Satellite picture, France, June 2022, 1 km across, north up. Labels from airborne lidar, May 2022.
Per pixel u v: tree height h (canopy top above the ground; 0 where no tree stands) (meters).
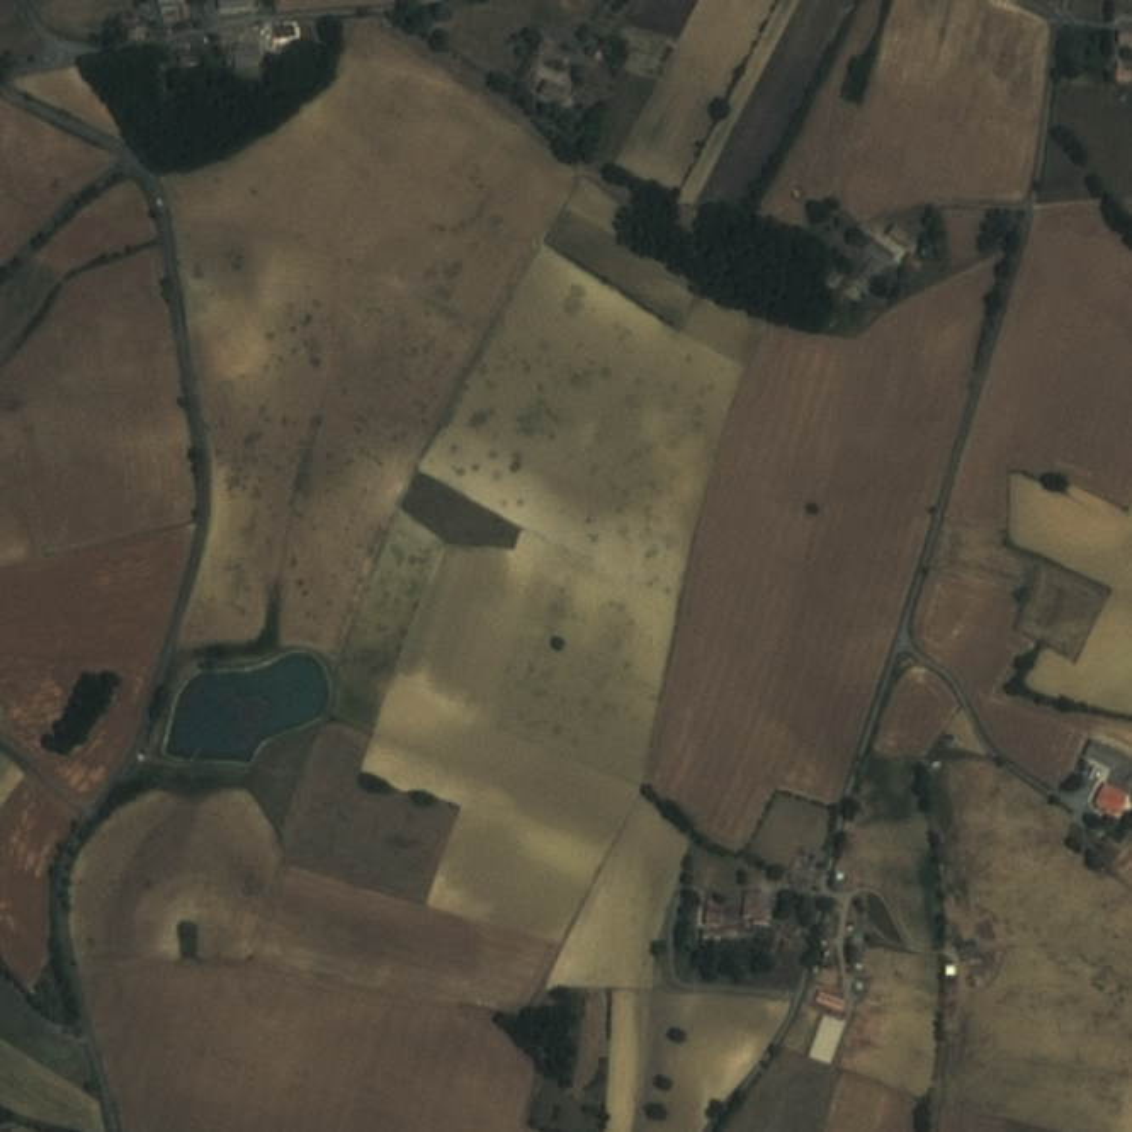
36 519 0
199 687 0
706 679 0
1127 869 0
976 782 0
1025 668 11
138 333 0
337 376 0
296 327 0
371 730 0
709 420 0
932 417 0
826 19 0
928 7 0
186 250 0
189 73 16
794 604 0
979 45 0
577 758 0
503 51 0
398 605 0
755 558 0
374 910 0
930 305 0
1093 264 0
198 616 0
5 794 0
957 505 0
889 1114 0
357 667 0
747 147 0
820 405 0
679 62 0
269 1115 0
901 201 0
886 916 0
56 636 0
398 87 0
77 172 0
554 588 0
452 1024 0
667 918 0
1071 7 0
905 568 0
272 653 0
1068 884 0
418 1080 0
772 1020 0
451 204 0
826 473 0
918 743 0
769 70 0
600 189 0
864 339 0
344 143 0
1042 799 0
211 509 0
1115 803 0
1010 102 0
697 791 0
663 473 0
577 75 7
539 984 0
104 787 0
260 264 0
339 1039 0
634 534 0
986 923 0
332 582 0
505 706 0
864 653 0
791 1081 0
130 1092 0
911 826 0
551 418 0
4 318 0
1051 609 0
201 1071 0
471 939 0
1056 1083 0
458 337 0
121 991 0
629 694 0
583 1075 0
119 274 0
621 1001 0
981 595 0
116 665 0
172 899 0
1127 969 0
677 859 0
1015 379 0
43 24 0
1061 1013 0
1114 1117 0
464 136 0
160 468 0
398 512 0
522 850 0
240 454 0
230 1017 0
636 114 0
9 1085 0
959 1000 0
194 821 0
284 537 0
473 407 0
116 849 0
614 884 0
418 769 0
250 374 0
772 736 0
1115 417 0
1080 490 0
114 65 13
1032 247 0
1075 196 0
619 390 0
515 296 0
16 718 0
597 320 0
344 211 0
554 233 0
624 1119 0
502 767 0
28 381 0
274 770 0
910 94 0
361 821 0
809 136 0
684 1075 0
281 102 18
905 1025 0
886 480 0
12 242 0
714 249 17
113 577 0
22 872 0
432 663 0
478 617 0
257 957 0
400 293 0
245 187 0
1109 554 0
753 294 16
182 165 16
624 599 0
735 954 12
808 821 0
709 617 0
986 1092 0
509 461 0
